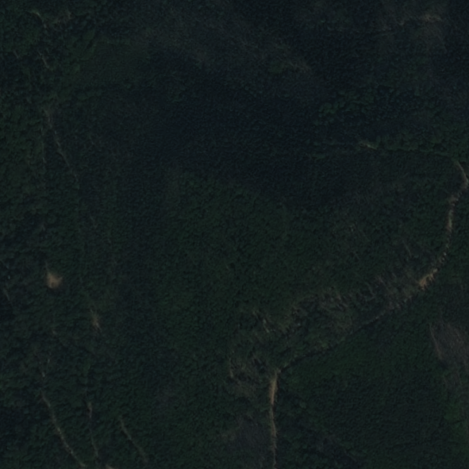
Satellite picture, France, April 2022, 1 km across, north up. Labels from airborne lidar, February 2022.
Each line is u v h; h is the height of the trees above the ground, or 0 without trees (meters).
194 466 19
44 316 31
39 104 26
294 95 25
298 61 22
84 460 21
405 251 29
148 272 20
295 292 24
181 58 25
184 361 22
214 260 23
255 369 35
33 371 28
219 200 25
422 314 31
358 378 21
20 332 32
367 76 20
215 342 28
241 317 29
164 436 14
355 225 26
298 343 32
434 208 31
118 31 21
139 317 15
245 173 28
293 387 26
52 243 29
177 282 19
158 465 18
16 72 27
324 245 26
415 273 27
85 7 29
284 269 26
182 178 18
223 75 27
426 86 20
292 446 24
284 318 32
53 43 24
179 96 23
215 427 26
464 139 24
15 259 26
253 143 25
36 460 25
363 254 29
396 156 19
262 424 34
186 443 19
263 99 27
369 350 26
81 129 22
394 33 19
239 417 29
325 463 25
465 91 25
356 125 16
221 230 22
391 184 19
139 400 21
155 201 12
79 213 16
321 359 21
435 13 22
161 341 23
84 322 26
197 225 17
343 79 28
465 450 27
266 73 22
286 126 22
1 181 20
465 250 27
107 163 20
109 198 18
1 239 20
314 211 19
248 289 26
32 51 24
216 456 23
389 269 28
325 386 23
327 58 29
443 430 19
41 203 24
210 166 23
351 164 17
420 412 18
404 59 22
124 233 23
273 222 24
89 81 20
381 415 14
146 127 20
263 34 24
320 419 29
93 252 17
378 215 28
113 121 19
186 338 21
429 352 27
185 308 18
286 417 25
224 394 32
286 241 27
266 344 39
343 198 15
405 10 21
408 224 30
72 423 28
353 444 22
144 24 21
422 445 22
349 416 20
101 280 19
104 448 19
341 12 25
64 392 25
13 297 23
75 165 19
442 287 23
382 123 17
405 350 26
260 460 34
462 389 35
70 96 22
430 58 21
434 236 29
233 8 23
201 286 20
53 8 21
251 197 24
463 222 29
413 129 13
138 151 18
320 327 31
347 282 27
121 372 23
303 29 18
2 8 27
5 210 29
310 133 24
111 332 16
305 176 23
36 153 22
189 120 27
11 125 23
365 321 28
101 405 28
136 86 24
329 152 23
